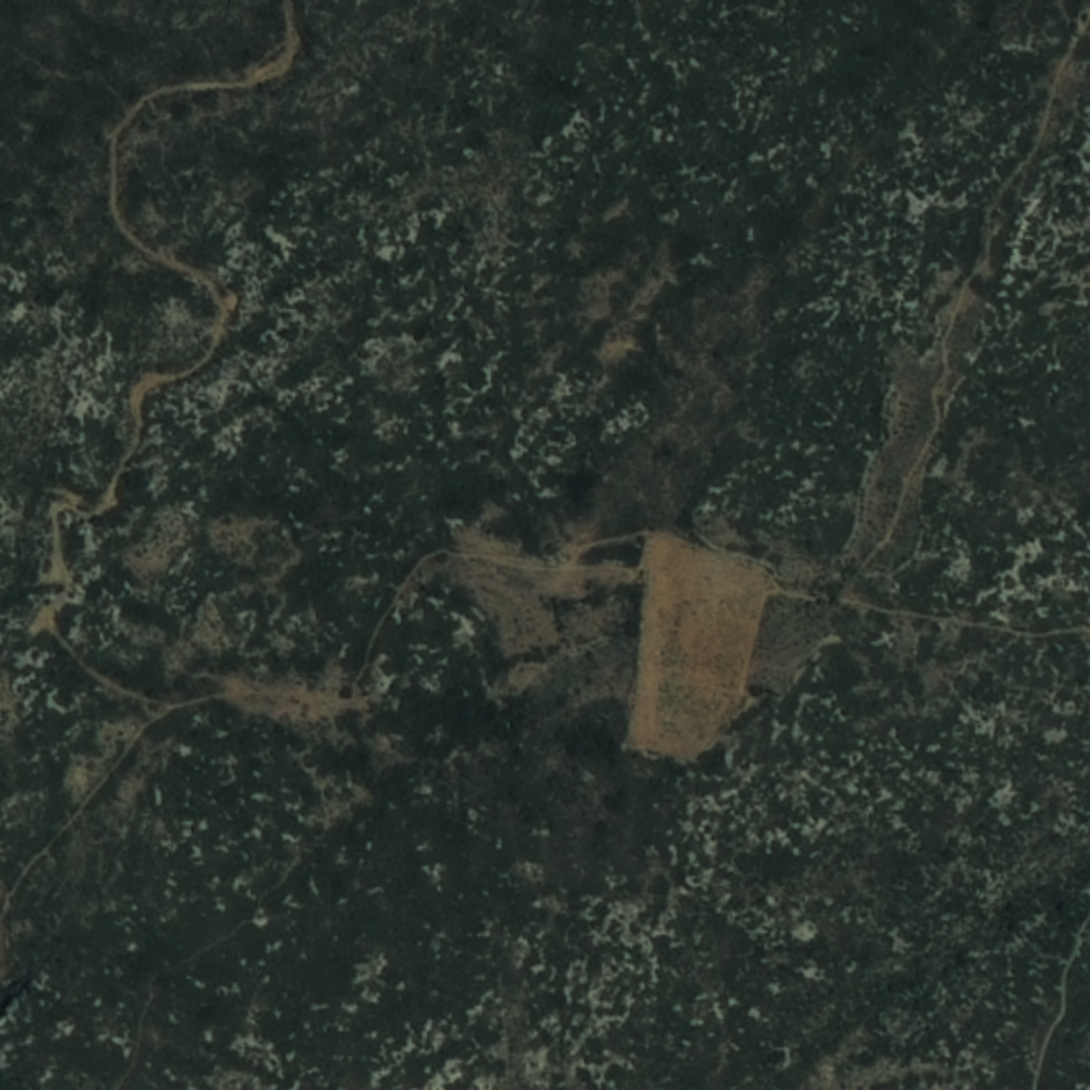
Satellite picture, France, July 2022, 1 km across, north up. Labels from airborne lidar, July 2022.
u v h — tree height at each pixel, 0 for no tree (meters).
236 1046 0
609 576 0
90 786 0
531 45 0
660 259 0
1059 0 0
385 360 0
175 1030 0
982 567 0
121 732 0
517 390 0
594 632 0
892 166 0
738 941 0
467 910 0
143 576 0
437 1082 0
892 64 0
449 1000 0
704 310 0
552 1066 0
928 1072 0
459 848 0
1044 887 8
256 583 0
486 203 0
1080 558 0
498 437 0
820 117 0
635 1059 0
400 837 0
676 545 0
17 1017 0
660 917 0
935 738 0
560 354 0
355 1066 0
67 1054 0
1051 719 0
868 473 0
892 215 0
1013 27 0
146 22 0
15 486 0
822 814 0
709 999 0
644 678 0
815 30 0
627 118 0
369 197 0
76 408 0
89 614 0
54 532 0
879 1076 0
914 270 0
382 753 0
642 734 0
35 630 0
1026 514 0
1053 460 0
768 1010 0
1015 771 0
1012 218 0
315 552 0
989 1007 0
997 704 0
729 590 0
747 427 0
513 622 0
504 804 0
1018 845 0
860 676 0
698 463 0
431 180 0
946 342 0
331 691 0
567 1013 0
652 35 0
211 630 0
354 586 0
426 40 0
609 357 0
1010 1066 0
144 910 0
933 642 0
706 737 0
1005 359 0
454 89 0
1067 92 0
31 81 5
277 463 0
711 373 0
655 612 0
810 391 0
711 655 0
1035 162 0
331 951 0
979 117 0
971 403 0
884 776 0
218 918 0
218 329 0
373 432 0
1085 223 0
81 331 0
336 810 0
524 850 0
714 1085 0
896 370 0
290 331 7
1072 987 0
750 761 0
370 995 0
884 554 0
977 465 0
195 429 0
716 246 0
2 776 0
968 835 0
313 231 0
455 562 0
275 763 0
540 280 0
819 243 0
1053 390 0
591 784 0
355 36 0
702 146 0
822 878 0
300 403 0
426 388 0
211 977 0
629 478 0
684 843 0
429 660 0
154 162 0
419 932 0
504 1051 0
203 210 0
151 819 0
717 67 0
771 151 0
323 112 0
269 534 0
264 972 0
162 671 0
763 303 0
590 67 0
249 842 0
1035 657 0
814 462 0
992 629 0
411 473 0
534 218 0
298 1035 0
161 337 0
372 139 0
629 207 0
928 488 0
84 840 0
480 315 0
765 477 0
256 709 0
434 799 0
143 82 0
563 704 7
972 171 0
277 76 0
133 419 0
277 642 0
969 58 0
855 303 0
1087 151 0
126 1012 0
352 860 0
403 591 0
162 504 0
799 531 0
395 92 0
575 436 0
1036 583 0
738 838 0
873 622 0
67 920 0
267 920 0
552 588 0
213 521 0
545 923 0
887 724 0
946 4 0
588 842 0
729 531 0
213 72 0
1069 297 0
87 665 0
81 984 0
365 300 0
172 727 0
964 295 0
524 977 0
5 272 0
